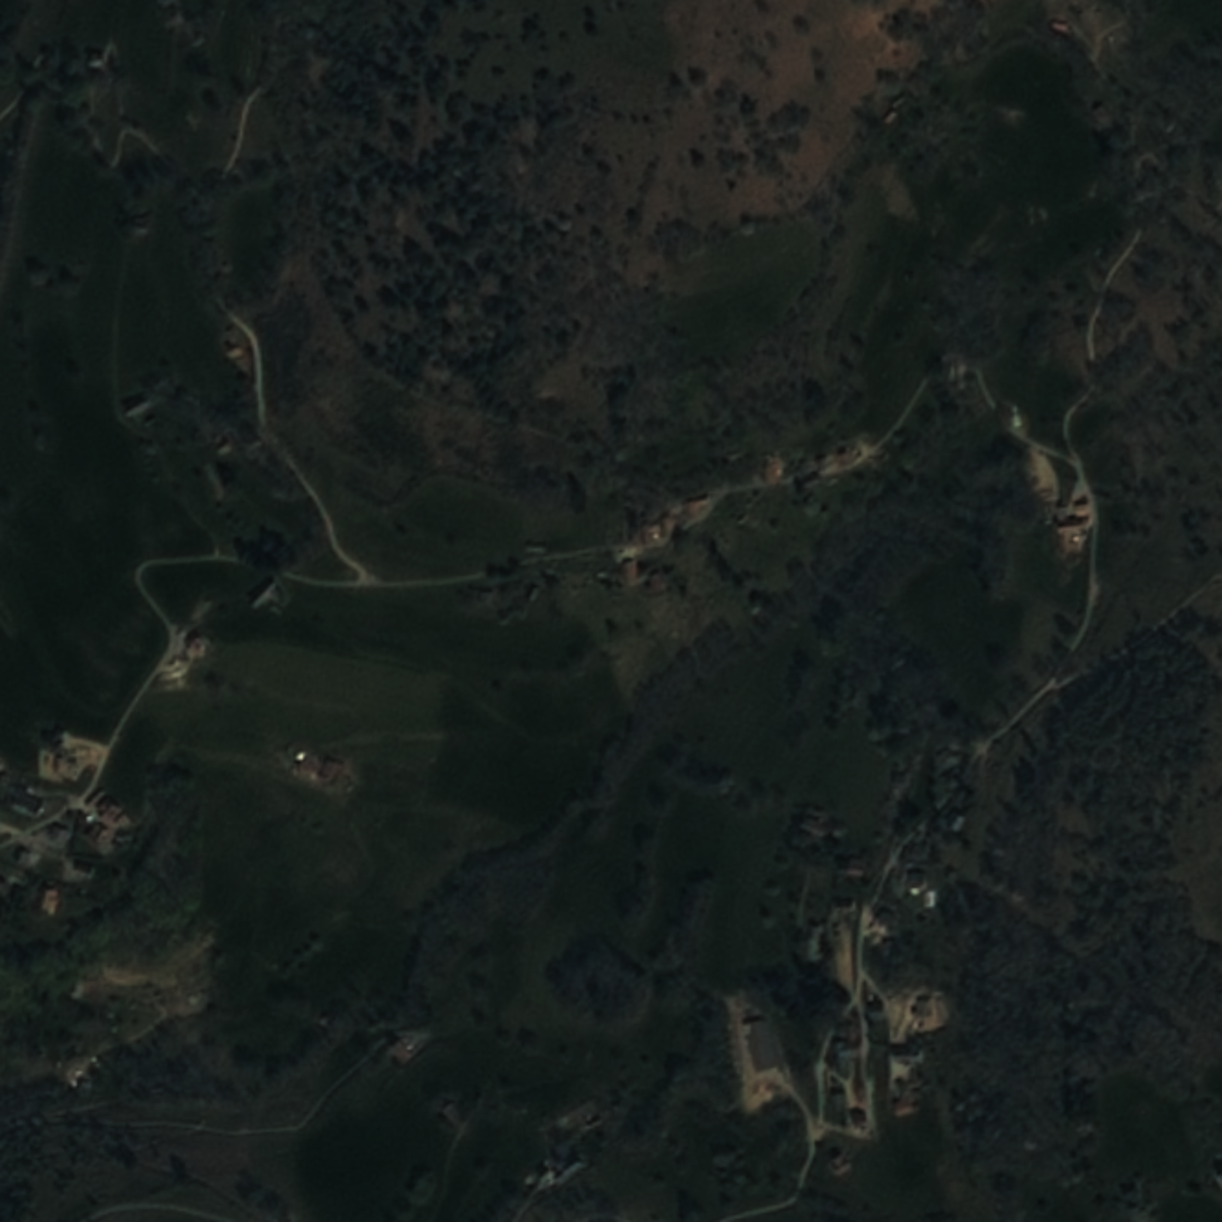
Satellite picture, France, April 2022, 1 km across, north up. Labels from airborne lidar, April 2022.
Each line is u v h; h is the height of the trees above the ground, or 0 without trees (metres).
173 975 0
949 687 11
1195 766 13
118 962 20
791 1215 0
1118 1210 7
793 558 0
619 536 0
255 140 0
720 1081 19
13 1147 12
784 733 0
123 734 0
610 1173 0
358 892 0
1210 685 14
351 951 0
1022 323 0
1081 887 11
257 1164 0
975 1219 0
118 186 0
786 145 11
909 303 0
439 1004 0
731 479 11
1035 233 0
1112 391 17
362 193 8
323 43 7
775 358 16
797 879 0
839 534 15
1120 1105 0
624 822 0
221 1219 0
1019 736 0
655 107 0
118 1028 9
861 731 0
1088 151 0
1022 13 0
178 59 0
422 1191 13
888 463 0
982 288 22
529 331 13
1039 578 0
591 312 9
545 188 14
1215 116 18
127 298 0
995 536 24
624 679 0
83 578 0
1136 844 7
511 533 0
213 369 0
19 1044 30
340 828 0
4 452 0
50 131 0
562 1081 0
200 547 0
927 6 0
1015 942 18
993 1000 20
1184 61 20
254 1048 0
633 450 23
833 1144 0
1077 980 10
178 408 21
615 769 15
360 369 0
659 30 0
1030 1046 19
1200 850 0
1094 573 0
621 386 11
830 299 11
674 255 16
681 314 0
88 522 0
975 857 0
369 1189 0
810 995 17
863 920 0
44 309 0
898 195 0
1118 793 8
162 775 19
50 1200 0
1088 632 0
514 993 0
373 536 0
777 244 0
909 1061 0
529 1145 0
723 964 0
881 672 20
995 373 0
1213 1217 0
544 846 18
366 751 0
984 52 10
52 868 0
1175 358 0
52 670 0
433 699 0
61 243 0
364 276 12
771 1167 0
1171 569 0
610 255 6
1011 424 13
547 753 0
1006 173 0
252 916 0
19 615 0
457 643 0
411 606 0
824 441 0
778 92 0
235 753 0
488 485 7
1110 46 0
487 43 8
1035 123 0
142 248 0
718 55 0
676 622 0
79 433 0
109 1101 0
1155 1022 21
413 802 0
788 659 0
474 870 15
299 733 0
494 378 12
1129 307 11
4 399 0
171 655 0
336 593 0
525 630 0
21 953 18
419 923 15
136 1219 0
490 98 0
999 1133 28
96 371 0
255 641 0
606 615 0
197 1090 24
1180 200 11
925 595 0
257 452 20
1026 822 15
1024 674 0
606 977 26
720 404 7
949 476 0
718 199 0
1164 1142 0
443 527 0
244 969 0
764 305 0
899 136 7
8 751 0
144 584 0
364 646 0
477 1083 0
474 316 10
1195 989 7
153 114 0
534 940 0
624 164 6
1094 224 0
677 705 17
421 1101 0
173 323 0
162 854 22
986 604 0
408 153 9
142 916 25
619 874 0
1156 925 15
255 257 0
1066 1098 8
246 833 0
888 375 0
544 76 7
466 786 0
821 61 17
